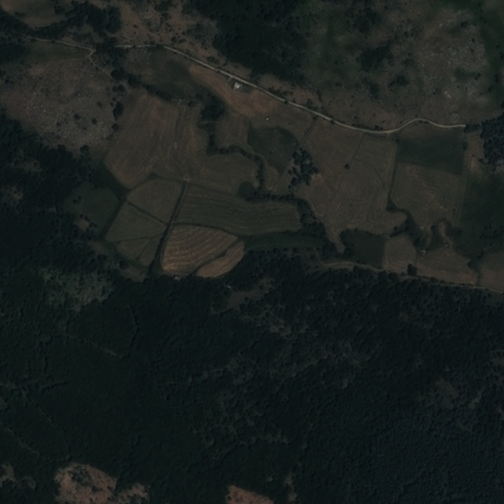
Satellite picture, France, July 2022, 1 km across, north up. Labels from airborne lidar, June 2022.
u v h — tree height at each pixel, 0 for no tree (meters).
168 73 0
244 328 12
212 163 0
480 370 6
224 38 7
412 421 18
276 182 0
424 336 10
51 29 9
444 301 8
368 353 8
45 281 15
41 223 13
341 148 0
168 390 14
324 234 9
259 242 0
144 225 0
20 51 10
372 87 8
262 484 11
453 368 13
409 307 10
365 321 10
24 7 0
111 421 17
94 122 9
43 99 0
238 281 11
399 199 0
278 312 8
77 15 7
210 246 0
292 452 15
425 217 0
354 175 0
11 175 9
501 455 21
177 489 14
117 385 17
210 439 10
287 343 9
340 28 0
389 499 27
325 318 7
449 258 0
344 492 19
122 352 14
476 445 30
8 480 8
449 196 0
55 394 16
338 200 0
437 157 0
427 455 26
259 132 0
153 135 0
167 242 0
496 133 14
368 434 12
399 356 13
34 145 9
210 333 12
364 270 10
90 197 0
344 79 0
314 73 0
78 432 15
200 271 0
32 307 13
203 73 0
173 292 11
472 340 13
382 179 0
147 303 18
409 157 0
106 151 0
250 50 7
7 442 16
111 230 0
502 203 0
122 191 0
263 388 13
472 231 0
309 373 11
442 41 0
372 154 0
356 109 0
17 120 11
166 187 0
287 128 0
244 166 0
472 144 0
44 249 13
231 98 0
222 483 14
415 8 0
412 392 11
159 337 14
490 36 0
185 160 0
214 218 0
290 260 14
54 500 9
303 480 9
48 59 0
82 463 14
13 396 12
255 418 8
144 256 0
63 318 17
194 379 20
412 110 0
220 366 10
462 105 0
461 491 21
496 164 6
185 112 0
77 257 14
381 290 14
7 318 13
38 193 9
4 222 11
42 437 15
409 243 0
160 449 15
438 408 6
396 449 25
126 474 18
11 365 15
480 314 8
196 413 10
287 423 11
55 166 5
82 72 0
